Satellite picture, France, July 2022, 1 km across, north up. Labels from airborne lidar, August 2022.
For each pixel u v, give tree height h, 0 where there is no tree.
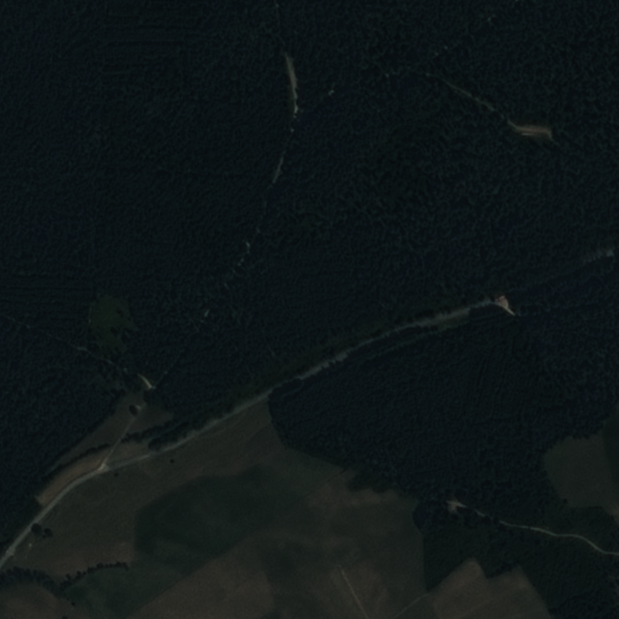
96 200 21
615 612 13
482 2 35
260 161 20
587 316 31
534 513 13
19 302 19
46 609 0
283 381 6
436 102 32
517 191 32
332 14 28
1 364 21
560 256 32
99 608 0
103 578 0
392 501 0
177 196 23
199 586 0
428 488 23
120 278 25
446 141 33
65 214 32
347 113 26
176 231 22
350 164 27
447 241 35
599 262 34
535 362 8
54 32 25
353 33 27
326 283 17
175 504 0
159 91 25
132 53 18
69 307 16
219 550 0
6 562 0
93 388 21
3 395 28
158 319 25
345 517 0
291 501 0
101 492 0
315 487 0
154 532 0
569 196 31
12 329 29
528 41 32
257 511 0
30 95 19
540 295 31
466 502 20
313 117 28
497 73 29
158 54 15
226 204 20
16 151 23
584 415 25
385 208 6
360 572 0
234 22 26
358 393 20
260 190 20
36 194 28
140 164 17
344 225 27
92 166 28
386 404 21
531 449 16
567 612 11
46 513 0
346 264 20
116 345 0
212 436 0
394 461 20
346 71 21
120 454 0
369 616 0
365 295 21
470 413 15
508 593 0
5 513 21
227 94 19
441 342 19
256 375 19
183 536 0
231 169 17
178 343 17
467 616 0
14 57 29
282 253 19
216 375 21
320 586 0
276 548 0
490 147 32
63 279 16
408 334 18
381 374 18
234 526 0
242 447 0
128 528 0
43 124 22
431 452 23
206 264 16
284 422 16
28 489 22
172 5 15
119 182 19
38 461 21
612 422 0
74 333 6
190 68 20
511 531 6
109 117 13
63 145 28
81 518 0
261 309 15
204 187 19
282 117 20
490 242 29
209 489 0
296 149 27
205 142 18
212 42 23
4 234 26
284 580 0
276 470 0
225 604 0
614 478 0
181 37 16
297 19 33
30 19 30
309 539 0
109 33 19
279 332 21
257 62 30
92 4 25
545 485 21
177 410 17
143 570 0
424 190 10
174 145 18
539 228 35
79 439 22
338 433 16
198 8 13
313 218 8
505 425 20
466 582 0
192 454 0
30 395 21
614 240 8
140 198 21
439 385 22
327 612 0
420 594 0
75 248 17
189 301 25
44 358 20
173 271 24
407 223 27
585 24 35
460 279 30
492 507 13
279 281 19
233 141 19
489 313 17
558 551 6
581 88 7
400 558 0
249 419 0
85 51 23
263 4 28
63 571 0
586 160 35
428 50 35
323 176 30
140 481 0
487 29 32
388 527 0
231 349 20
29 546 0
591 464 0
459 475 17
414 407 19
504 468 16
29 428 25
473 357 14
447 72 37
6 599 0
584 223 30
